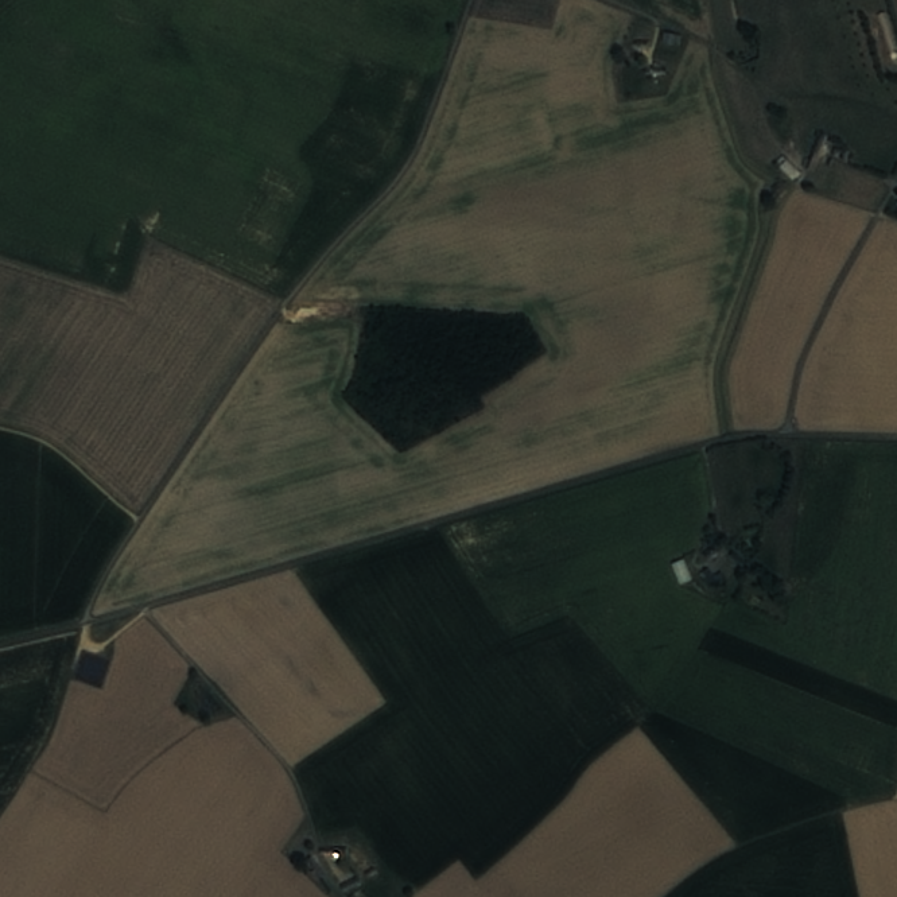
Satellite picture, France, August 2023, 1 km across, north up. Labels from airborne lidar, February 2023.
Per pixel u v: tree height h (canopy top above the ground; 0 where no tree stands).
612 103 0
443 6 0
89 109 0
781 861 0
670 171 0
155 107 0
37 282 0
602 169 0
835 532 0
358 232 0
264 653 0
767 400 0
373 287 0
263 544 0
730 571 0
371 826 0
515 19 0
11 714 0
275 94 0
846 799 0
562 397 0
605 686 0
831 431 0
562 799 0
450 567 0
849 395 0
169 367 0
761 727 0
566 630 0
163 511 0
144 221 0
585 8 0
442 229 0
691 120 0
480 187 0
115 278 0
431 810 0
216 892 0
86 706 0
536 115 0
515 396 0
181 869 0
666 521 0
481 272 0
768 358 0
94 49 0
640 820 0
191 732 0
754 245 0
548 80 0
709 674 0
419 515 0
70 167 0
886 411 0
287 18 0
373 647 0
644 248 0
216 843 0
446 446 0
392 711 0
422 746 0
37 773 0
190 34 0
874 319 0
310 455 0
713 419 0
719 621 0
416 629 0
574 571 0
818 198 0
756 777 0
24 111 0
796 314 0
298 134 0
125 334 0
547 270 0
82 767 0
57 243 0
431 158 0
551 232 0
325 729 0
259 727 0
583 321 0
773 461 0
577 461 0
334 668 0
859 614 0
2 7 0
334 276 0
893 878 0
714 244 0
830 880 0
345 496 0
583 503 0
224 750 0
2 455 0
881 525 0
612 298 0
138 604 0
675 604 0
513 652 0
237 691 0
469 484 0
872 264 0
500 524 0
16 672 0
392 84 0
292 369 0
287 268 0
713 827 0
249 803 0
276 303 0
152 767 0
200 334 0
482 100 0
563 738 0
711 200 0
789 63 0
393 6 0
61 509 0
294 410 0
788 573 0
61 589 0
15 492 0
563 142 0
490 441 0
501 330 6
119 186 0
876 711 0
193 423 0
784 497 8
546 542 0
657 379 0
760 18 0
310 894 0
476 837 0
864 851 0
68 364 0
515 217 0
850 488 0
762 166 0
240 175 0
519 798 0
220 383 0
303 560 0
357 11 0
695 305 0
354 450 0
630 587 0
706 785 0
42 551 0
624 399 0
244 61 0
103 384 0
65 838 0
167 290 0
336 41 0
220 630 0
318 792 0
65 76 0
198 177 0
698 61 0
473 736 0
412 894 7
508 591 0
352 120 0
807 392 0
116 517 0
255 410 0
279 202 0
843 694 0
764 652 0
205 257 0
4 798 0
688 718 0
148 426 0
